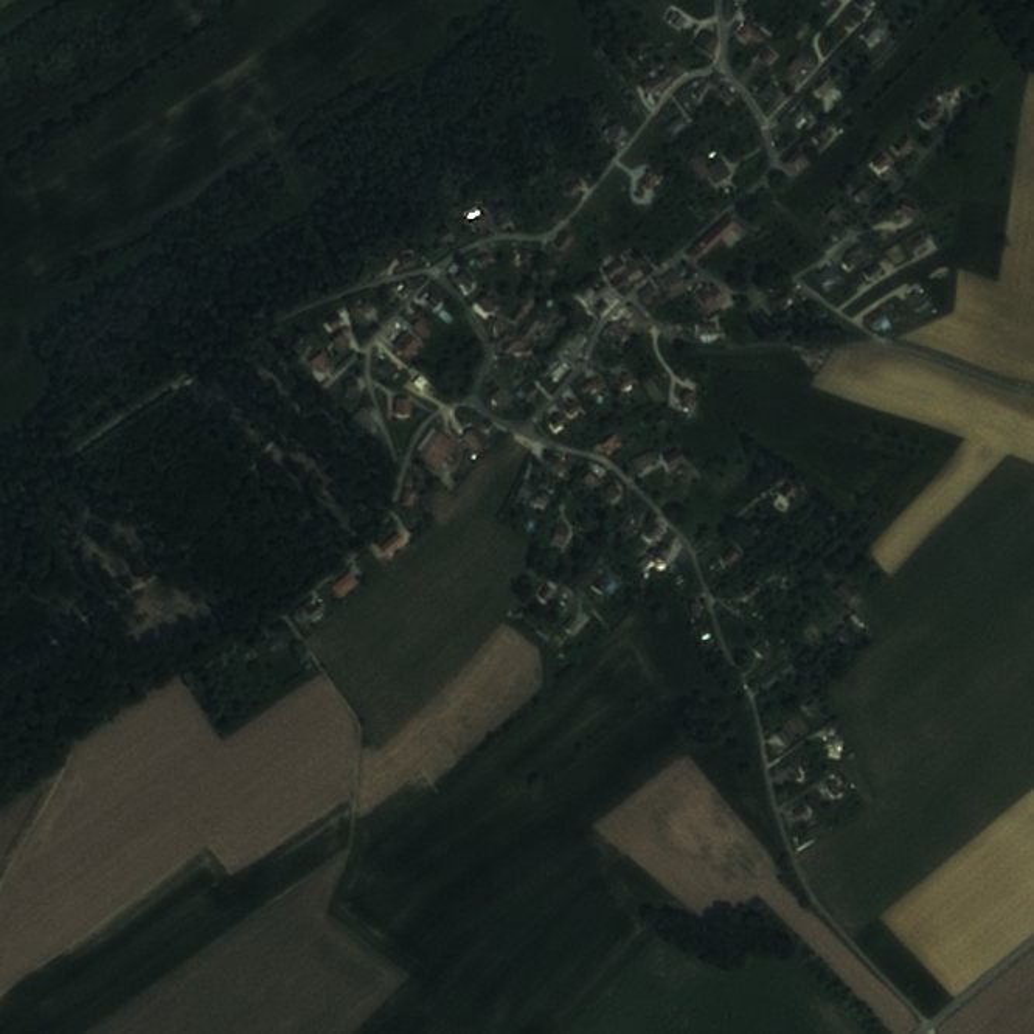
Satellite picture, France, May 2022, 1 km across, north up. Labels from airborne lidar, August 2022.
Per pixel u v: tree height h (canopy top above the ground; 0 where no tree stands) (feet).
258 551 44
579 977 0
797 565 22
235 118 0
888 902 0
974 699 0
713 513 0
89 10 51
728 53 0
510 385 0
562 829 0
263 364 63
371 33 0
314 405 94
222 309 92
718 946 79
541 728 0
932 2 60
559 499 30
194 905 0
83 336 77
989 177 0
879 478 0
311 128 22
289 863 0
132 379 80
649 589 18
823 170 0
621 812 0
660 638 0
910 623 0
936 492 0
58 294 0
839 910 0
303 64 0
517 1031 0
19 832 0
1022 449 0
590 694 0
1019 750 0
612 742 0
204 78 0
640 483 45
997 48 0
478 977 0
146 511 31
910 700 0
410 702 0
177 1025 0
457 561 0
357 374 45
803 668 68
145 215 0
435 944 0
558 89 0
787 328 65
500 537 0
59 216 0
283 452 96
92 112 27
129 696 80
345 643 0
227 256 49
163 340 85
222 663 53
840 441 0
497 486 0
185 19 0
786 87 23
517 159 33
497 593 0
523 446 0
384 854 0
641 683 0
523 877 0
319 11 0
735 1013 0
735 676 41
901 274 0
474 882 0
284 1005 0
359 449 91
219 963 0
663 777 0
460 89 78
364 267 67
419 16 0
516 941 0
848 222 21
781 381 0
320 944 0
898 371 0
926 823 0
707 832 0
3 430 0
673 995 0
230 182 63
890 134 0
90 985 0
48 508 99
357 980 0
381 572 0
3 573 118
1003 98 0
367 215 95
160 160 0
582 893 0
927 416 0
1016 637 0
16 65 58
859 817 0
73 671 100
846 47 24
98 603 93
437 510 0
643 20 24
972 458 0
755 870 0
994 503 0
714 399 0
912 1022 0
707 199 21
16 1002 0
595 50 23
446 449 0
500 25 26
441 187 88
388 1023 0
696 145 22
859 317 0
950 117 0
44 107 0
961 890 0
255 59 0
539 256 38
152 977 0
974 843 0
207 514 46
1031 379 0
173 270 78
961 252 0
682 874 0
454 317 27
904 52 0
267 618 76
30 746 91
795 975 0
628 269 0
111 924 0
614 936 0
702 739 70
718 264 0
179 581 95
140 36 0
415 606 0
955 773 0
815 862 0
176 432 35
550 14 0
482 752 26
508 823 0
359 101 19
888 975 0
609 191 0
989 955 0
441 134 27
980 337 0
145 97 0
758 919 57
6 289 0
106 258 37
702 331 0
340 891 0
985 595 0
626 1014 0
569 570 35
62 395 67
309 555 44
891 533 0
